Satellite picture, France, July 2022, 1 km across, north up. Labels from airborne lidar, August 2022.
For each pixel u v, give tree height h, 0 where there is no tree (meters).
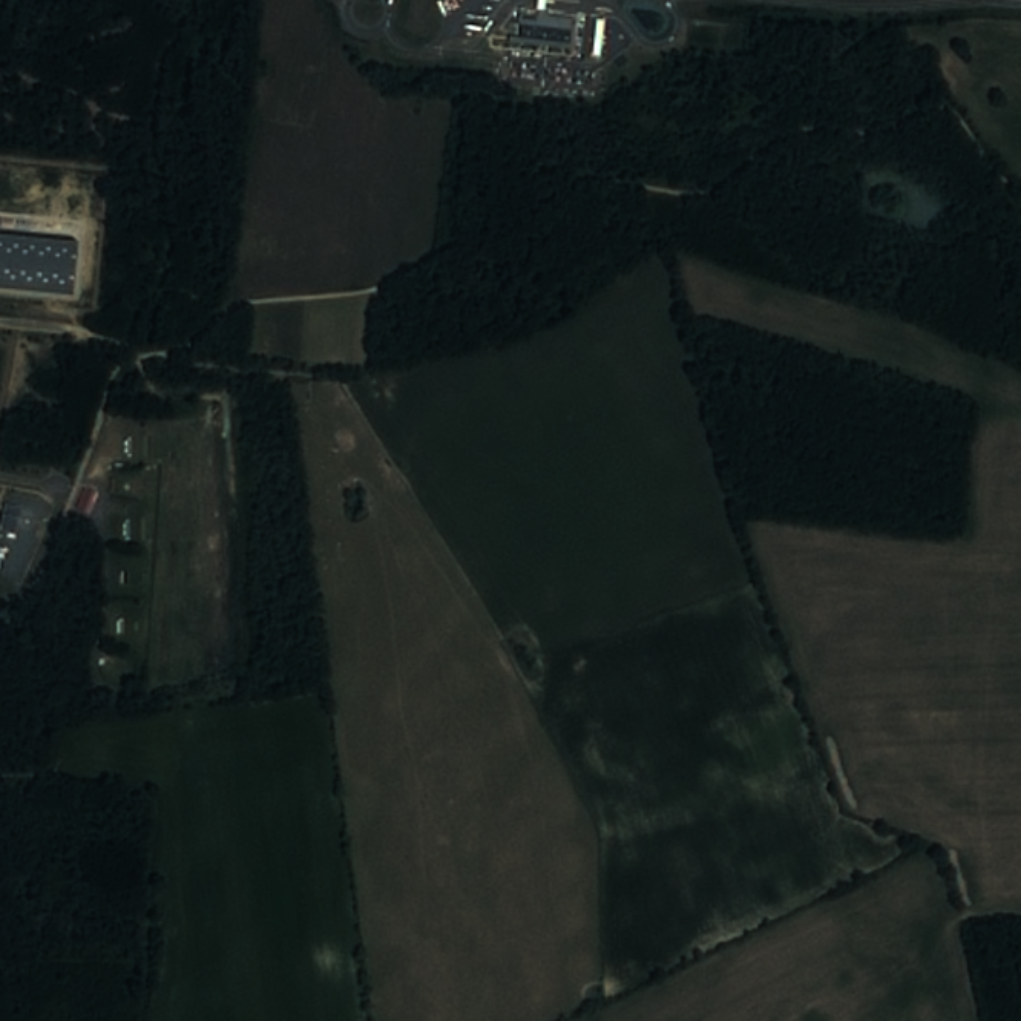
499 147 22
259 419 13
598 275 14
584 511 0
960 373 0
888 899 0
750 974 0
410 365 19
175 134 22
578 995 0
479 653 0
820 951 0
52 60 17
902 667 0
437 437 0
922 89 7
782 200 19
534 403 0
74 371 20
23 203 0
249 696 18
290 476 16
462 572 0
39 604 20
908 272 13
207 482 0
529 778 0
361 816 0
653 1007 0
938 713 0
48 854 17
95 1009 10
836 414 23
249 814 0
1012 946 23
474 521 0
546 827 0
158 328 20
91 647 20
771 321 0
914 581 0
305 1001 0
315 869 0
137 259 7
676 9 0
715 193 13
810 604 0
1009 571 0
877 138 19
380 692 0
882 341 0
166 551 0
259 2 15
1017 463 0
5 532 0
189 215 13
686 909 0
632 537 0
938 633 0
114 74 15
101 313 7
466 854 0
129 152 24
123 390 17
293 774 0
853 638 0
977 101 0
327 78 0
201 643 0
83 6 21
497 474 0
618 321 0
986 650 0
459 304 21
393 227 0
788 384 19
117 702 12
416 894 0
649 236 6
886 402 19
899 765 0
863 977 0
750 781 0
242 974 0
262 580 8
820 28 21
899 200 9
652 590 0
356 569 0
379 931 0
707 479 0
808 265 22
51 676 19
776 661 0
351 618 0
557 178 23
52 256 0
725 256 8
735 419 23
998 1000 12
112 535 0
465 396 0
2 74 17
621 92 10
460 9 0
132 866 18
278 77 0
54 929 21
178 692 6
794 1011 0
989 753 0
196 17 18
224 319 18
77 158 18
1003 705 0
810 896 0
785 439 21
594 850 0
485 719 0
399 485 0
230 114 21
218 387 15
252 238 0
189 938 0
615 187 18
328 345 0
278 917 0
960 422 19
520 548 0
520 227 26
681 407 0
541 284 24
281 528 17
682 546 0
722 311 0
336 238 0
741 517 17
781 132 17
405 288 22
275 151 0
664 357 0
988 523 0
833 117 18
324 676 17
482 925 0
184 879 0
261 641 14
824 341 0
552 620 0
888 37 13
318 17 0
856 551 0
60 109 19
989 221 20
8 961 24
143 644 0
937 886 0
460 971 0
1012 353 19
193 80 20
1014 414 0
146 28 11
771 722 0
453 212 15
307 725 0
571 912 0
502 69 0
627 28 0
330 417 0
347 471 0
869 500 22
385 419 0
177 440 0
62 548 20
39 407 10
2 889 22
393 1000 0
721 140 9
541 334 9
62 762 0
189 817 0
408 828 0
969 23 0
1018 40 0
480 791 0
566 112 21
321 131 0
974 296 13
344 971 0
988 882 0
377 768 0
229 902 0
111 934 23
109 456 0
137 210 13
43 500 0
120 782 14
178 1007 0
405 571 0
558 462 0
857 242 21
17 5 16
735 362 19
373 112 0
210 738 0
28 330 0
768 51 18
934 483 19
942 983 0
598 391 0
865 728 0
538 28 0
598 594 0
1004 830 0
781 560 0
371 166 0
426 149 0
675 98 17
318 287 0
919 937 0
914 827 0
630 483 0
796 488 21
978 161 15
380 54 0
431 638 0
